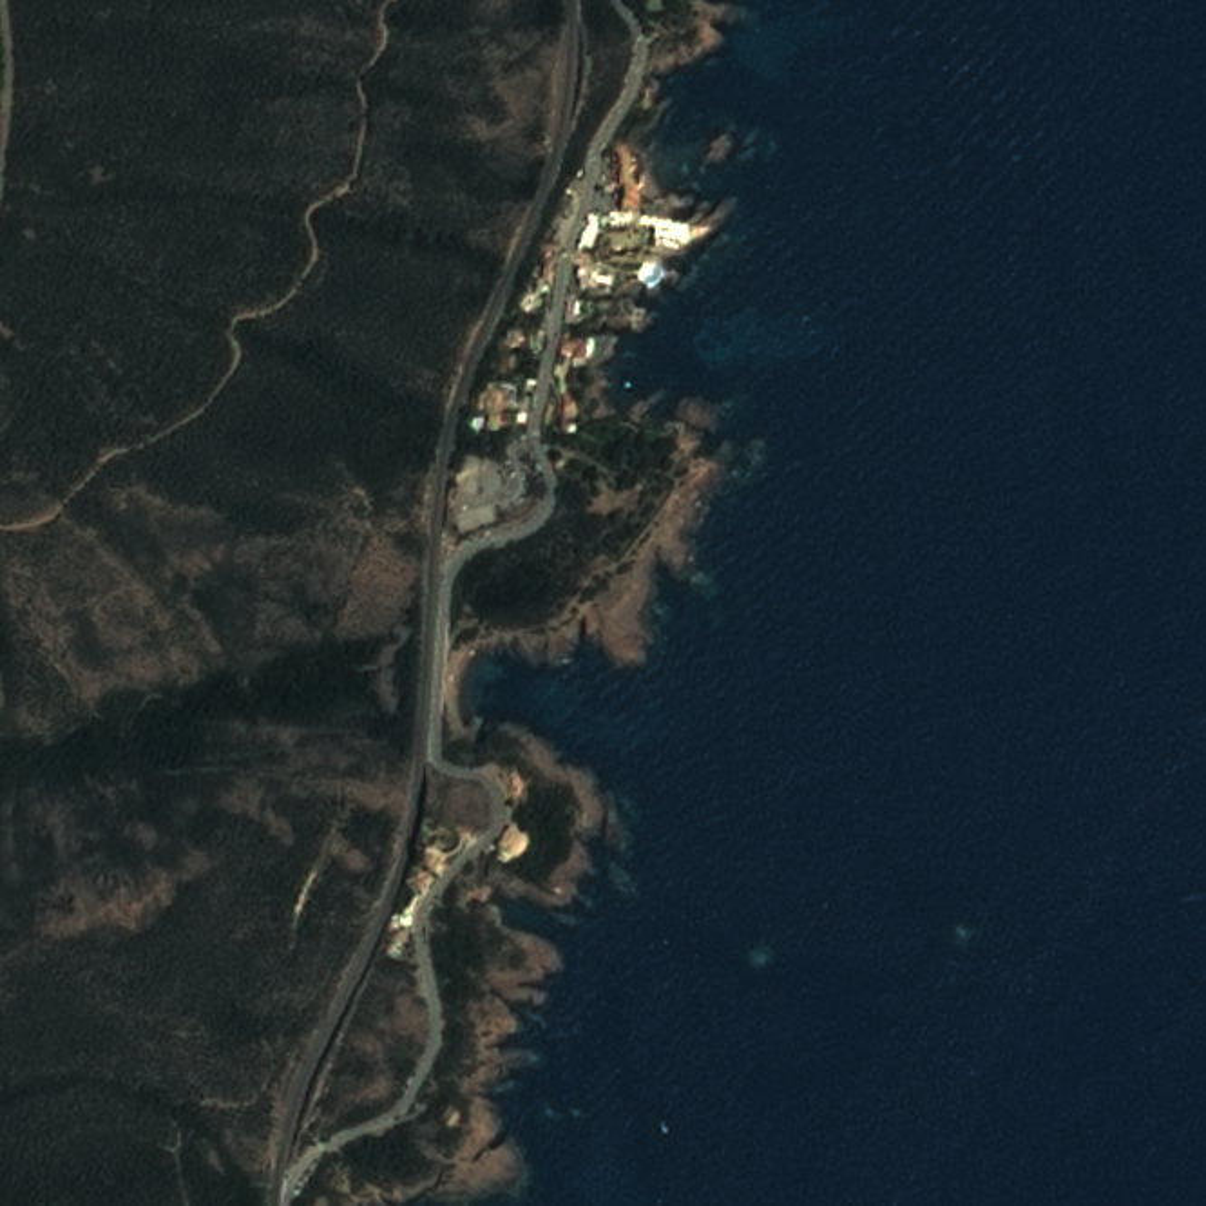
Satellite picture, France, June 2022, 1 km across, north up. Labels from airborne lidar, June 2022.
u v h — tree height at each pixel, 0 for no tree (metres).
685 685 0
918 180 0
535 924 0
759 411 0
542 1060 0
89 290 6
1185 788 0
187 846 0
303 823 7
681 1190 0
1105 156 0
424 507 0
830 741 0
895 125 0
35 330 6
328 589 0
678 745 0
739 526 0
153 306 6
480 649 0
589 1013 0
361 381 10
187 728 6
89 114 6
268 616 0
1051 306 0
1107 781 0
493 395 0
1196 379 0
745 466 0
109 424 8
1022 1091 0
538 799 11
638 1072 0
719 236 0
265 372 6
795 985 0
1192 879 0
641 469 8
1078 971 0
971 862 0
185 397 8
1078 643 0
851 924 0
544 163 6
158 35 7
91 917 0
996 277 0
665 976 0
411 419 7
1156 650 0
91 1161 7
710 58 0
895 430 0
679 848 0
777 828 0
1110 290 0
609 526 15
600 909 0
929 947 0
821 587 0
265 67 8
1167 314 0
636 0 14
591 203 0
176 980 6
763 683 0
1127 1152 0
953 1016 0
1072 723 0
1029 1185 0
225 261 6
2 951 0
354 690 7
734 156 0
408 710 10
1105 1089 0
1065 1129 0
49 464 8
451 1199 0
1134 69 0
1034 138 0
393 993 0
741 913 0
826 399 0
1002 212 0
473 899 6
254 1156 0
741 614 0
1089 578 0
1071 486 0
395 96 8
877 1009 0
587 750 0
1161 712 0
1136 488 0
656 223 0
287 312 6
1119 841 0
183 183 6
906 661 0
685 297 0
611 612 0
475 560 6
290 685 6
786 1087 0
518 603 6
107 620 0
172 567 0
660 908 0
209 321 7
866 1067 0
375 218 9
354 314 6
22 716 0
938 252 0
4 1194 7
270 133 6
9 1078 7
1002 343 0
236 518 7
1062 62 0
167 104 6
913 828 0
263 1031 8
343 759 0
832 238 0
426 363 6
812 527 0
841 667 0
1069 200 0
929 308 0
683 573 0
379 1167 7
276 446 6
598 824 0
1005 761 0
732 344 0
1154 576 0
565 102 0
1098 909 0
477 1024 0
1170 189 0
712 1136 0
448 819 0
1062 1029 0
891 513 0
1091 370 0
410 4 6
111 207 6
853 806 0
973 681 0
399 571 0
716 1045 0
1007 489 0
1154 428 0
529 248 6
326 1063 0
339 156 7
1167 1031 0
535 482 6
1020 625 0
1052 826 0
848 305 0
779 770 0
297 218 7
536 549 7
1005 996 0
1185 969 0
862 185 0
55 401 7
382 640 6
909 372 0
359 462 6
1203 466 0
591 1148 0
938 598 0
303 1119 0
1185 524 0
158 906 0
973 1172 0
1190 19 0
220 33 6
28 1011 7
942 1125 0
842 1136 0
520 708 0
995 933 0
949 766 0
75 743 6
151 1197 7
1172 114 0
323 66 5
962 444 0
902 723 0
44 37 7
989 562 0
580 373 8
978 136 0
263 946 6
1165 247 0
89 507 7
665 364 0
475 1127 0
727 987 0
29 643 7
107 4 6
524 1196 0
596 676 0
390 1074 0
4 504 0
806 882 0
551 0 11
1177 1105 0
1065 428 0
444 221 6
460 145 6
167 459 8
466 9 7
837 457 0
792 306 0
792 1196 0
